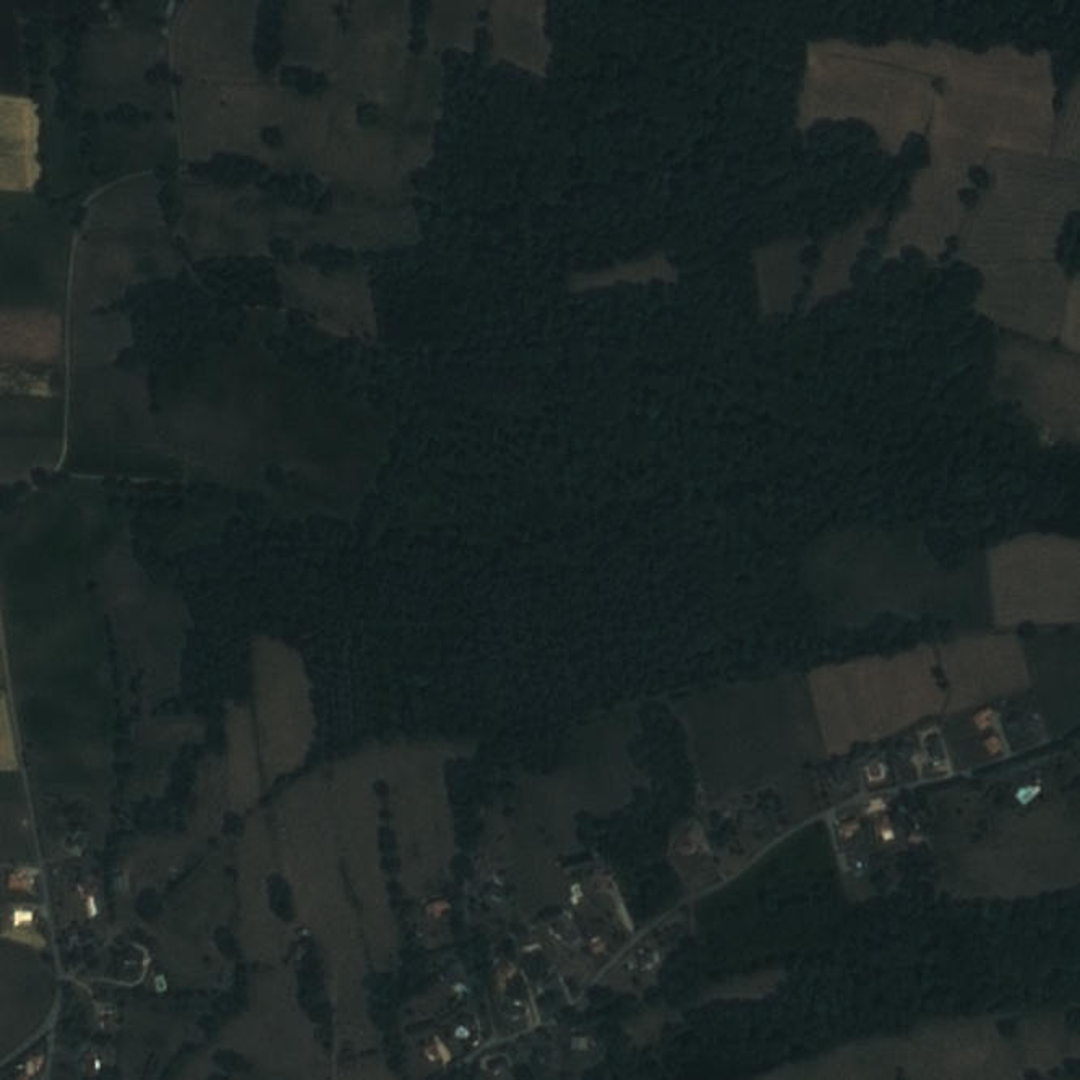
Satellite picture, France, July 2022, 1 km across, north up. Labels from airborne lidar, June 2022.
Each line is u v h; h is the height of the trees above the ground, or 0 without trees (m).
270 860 0
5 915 0
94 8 0
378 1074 0
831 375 21
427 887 0
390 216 0
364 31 0
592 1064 0
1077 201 0
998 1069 0
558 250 8
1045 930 21
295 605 28
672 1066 22
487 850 0
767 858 0
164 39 0
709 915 0
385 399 26
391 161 0
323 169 0
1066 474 12
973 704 0
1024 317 0
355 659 11
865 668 0
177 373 0
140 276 0
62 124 16
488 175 25
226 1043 0
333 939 0
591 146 27
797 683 0
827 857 0
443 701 21
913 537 0
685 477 26
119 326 0
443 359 13
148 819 15
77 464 0
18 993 0
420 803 0
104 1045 8
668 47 18
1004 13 17
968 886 0
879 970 30
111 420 0
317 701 20
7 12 0
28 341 0
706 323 19
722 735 0
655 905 16
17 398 0
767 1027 22
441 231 23
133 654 0
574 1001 0
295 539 23
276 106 0
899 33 20
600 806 0
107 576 0
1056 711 0
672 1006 21
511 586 8
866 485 20
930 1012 27
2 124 0
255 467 0
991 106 0
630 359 16
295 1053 0
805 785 0
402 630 8
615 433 27
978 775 10
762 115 24
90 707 0
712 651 11
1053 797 0
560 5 19
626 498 22
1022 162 0
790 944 6
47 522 0
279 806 0
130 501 8
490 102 27
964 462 20
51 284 0
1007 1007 18
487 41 12
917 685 0
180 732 0
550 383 8
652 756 20
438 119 0
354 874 0
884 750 7
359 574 20
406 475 22
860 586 0
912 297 16
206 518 0
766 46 21
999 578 0
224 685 25
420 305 10
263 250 0
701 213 22
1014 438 10
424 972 17
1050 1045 0
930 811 15
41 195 14
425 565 19
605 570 17
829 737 0
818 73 0
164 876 0
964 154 0
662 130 32
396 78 0
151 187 0
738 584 25
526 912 0
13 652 0
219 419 0
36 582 0
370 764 0
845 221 21
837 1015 26
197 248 0
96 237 0
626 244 20
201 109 0
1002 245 0
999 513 8
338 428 0
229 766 0
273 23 23
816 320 15
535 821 0
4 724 0
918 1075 0
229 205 0
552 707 15
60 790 0
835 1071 0
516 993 17
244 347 0
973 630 0
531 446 20
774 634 19
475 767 16
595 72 9
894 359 18
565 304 8
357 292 0
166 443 0
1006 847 0
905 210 11
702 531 25
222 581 25
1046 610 0
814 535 11
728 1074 8
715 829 8
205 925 0
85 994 0
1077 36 31
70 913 0
